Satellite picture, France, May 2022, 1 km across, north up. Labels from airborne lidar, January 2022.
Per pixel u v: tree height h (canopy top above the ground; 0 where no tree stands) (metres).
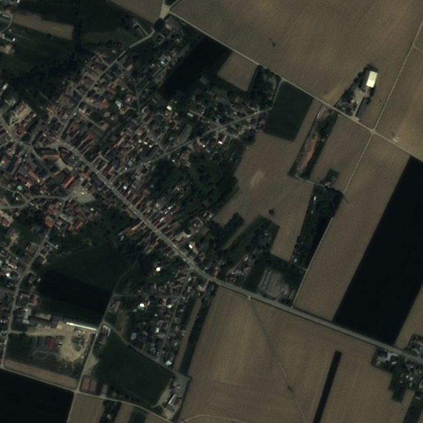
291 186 0
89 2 0
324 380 0
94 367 0
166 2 0
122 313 0
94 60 7
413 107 0
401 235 0
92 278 0
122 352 0
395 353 0
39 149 0
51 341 0
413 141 0
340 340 0
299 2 0
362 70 0
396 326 0
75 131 0
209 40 0
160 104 0
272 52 0
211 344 0
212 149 0
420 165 0
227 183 0
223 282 0
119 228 0
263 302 0
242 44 0
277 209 0
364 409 0
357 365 0
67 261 0
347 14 0
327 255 0
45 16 0
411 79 0
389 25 0
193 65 0
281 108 0
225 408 0
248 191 0
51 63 0
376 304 0
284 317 0
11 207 0
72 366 0
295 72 0
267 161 0
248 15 0
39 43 0
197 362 0
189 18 0
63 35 0
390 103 0
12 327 0
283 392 0
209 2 0
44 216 0
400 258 0
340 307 0
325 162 0
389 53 0
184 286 0
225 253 13
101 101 0
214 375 0
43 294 0
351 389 0
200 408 0
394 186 0
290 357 0
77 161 0
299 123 0
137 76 17
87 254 0
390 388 0
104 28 0
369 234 0
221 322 0
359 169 0
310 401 0
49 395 0
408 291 0
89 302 0
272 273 0
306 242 0
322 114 0
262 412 0
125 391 0
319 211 13
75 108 0
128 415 0
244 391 0
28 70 0
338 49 0
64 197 0
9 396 0
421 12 0
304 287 0
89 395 0
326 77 0
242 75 0
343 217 0
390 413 0
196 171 0
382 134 0
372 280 0
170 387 0
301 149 0
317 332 0
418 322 0
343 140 0
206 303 8
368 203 0
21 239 0
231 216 0
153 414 0
